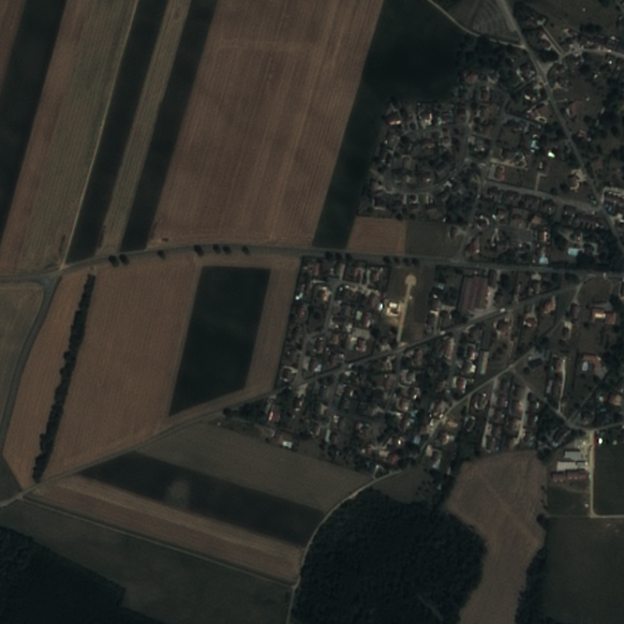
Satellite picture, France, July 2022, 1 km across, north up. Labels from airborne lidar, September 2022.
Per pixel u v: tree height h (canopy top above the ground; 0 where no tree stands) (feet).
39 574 30
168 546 0
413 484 0
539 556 18
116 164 0
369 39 0
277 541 0
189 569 0
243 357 0
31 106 0
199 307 0
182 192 0
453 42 0
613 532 0
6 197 0
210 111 0
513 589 0
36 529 0
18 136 0
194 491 0
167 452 0
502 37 0
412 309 0
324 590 58
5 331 0
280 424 26
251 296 0
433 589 67
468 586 53
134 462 0
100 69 0
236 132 0
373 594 59
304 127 0
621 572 0
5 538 61
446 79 0
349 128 0
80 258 0
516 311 0
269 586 0
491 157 0
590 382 0
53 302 0
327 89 0
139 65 0
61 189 0
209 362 0
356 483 0
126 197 0
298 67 0
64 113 0
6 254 0
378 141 0
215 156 0
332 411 0
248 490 0
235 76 0
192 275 0
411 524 66
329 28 0
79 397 0
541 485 0
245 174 0
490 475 0
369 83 0
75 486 0
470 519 0
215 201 0
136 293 0
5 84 0
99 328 0
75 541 0
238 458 0
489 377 0
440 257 0
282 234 0
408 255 0
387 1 0
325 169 0
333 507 0
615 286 0
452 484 48
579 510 0
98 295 0
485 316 0
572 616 0
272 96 0
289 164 0
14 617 19
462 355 33
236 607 0
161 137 0
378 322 0
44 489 0
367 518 21
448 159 35
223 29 0
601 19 0
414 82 0
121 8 0
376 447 0
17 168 0
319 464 0
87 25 0
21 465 0
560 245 41
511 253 23
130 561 0
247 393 0
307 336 0
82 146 0
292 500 0
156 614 0
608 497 0
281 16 0
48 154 0
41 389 0
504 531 0
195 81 0
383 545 70
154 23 0
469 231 0
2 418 0
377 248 0
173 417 0
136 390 0
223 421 0
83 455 0
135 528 0
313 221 0
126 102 0
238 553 0
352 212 0
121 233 0
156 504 0
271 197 0
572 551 0
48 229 0
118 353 0
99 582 22
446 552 61
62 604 19
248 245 0
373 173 0
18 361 0
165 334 0
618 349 28
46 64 0
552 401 22
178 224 0
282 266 0
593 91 0
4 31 0
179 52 0
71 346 23
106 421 0
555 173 0
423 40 0
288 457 0
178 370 0
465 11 0
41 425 0
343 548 36
